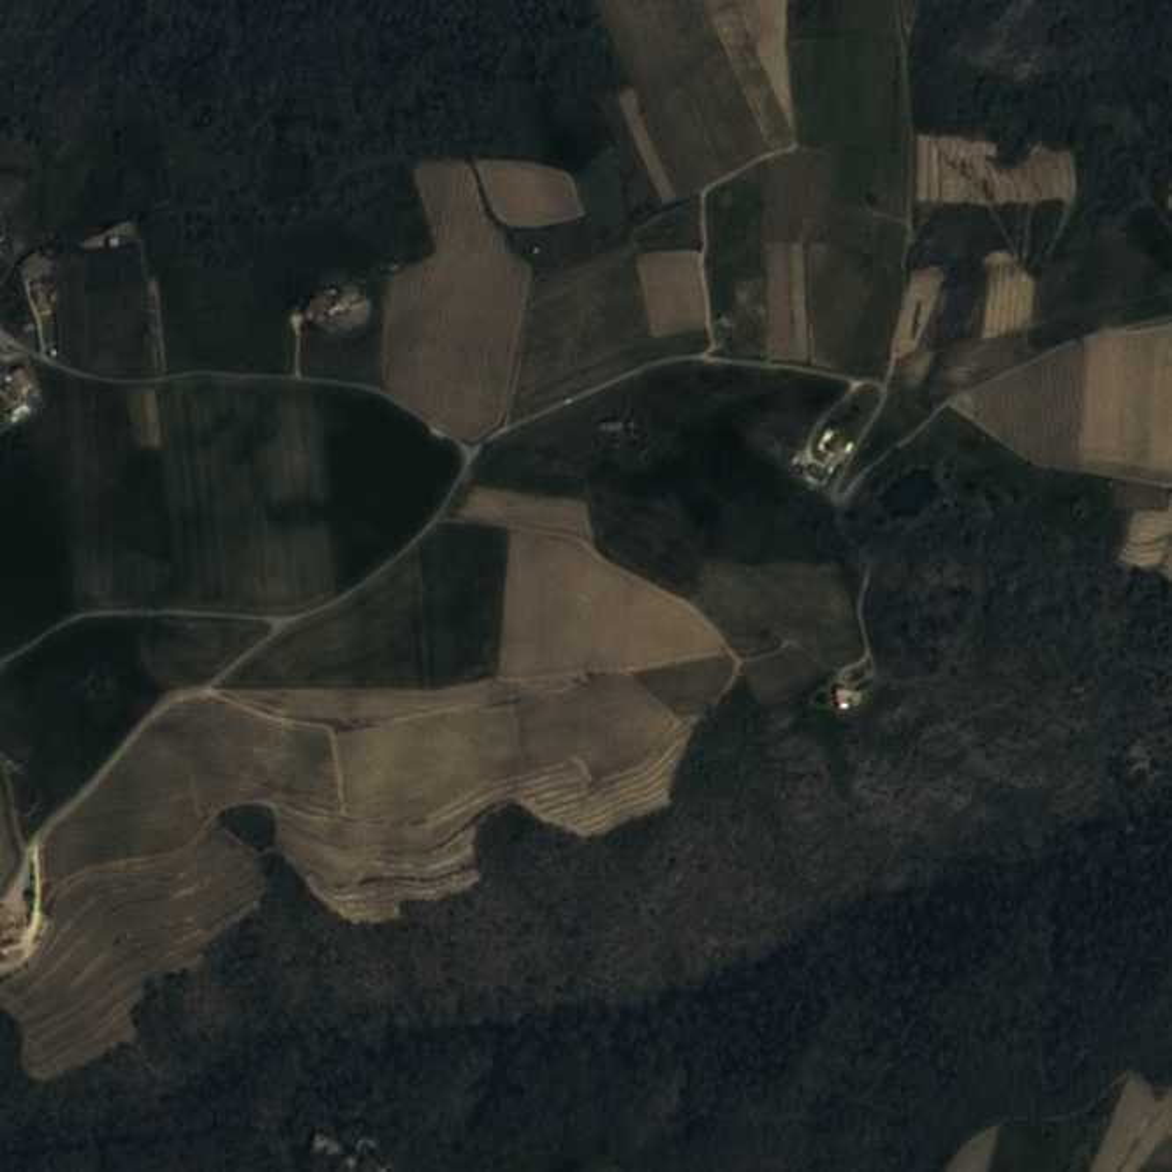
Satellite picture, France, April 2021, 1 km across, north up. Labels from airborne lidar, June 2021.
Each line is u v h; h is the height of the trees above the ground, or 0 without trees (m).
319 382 0
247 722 0
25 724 0
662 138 0
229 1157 18
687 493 0
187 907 0
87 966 0
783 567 0
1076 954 13
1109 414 0
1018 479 0
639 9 0
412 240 0
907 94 0
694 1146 26
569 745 0
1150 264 0
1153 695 6
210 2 7
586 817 0
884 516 8
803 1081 17
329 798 0
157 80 11
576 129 0
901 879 19
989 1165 0
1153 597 11
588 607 0
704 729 8
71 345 0
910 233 0
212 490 0
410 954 12
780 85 0
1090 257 0
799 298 0
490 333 0
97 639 0
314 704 0
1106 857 19
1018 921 17
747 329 0
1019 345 0
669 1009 17
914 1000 10
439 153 9
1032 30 0
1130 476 0
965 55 0
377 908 0
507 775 0
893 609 6
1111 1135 0
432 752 0
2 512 0
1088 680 9
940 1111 15
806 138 0
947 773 0
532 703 0
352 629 0
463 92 15
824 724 0
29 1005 0
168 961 0
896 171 0
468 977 11
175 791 0
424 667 0
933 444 0
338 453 0
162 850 0
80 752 0
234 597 0
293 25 12
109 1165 18
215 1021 8
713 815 9
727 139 0
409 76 13
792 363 0
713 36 0
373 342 0
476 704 0
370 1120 18
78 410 0
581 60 6
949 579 6
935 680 0
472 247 0
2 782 0
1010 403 0
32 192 0
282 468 0
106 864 0
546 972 12
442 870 0
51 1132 20
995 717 0
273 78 13
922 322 0
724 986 16
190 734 0
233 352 0
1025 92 7
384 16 17
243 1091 16
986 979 16
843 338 0
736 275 0
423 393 0
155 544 0
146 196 0
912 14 0
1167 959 12
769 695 0
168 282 0
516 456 0
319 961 8
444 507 0
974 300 0
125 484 0
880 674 0
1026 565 13
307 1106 24
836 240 0
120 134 8
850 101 0
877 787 0
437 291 0
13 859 0
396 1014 15
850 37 0
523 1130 22
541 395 0
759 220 0
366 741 0
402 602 0
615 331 0
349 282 0
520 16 10
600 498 0
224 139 11
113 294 0
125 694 0
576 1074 23
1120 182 15
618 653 0
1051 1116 8
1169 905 16
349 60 16
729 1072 8
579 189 0
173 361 0
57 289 0
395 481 0
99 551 0
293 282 0
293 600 0
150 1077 11
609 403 0
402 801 0
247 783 0
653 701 0
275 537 0
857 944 12
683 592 0
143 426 0
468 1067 18
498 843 9
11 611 0
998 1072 12
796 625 0
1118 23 11
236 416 0
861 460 0
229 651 0
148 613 0
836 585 0
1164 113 8
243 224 8
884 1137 17
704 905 10
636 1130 14
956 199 0
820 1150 22
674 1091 20
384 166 0
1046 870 11
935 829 0
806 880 6
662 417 0
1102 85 14
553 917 7
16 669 0
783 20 0
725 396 0
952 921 7
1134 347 0
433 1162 22
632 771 0
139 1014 6
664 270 0
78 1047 0
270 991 17
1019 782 0
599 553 0
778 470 0
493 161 0
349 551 0
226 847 0
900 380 0
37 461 0
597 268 0
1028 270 0
